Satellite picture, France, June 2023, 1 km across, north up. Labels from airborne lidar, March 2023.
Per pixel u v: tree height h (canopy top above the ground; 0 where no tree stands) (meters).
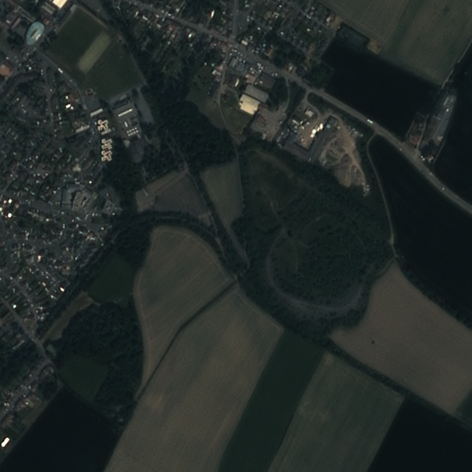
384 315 0
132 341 13
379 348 0
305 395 0
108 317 5
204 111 0
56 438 0
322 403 0
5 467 0
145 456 0
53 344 14
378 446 0
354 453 0
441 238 0
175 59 0
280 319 10
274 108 0
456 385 0
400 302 0
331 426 0
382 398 0
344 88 0
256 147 0
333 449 0
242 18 0
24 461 0
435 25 0
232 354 0
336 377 0
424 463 0
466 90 0
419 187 0
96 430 0
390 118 0
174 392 0
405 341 0
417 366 0
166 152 15
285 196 0
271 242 0
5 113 13
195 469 0
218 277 0
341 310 0
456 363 0
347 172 0
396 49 0
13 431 0
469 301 0
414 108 0
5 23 0
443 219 0
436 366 0
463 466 0
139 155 0
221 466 0
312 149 0
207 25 0
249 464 0
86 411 0
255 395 0
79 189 0
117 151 13
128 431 0
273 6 0
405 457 0
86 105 0
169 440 0
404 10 0
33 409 0
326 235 0
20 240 0
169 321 0
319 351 0
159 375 0
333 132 0
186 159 9
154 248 0
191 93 0
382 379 7
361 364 6
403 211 0
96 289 0
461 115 0
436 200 0
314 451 0
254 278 11
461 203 0
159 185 0
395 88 0
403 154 0
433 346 0
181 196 0
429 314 0
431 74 0
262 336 0
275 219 0
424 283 0
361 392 0
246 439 0
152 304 0
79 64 0
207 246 0
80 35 0
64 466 0
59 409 0
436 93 0
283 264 0
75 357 0
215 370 0
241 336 0
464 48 0
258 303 11
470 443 0
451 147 0
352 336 0
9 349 8
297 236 0
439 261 0
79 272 6
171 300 0
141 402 0
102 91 0
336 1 0
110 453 0
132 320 8
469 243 0
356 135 0
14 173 0
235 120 0
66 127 0
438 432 0
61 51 0
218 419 0
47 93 0
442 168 0
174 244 0
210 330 0
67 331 12
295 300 0
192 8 15
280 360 0
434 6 0
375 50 0
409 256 0
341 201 11
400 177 0
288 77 0
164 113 10
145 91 15
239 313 0
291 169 0
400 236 0
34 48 0
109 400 6
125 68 0
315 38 0
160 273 0
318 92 0
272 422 0
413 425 0
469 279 0
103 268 0
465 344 0
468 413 0
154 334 0
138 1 0
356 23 0
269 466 0
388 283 0
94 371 0
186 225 11
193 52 12
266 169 0
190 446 0
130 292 0
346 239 9
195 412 0
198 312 0
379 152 0
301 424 0
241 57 0
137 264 13
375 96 0
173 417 0
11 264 0
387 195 0
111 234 15
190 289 0
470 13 0
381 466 0
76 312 0
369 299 0
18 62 0
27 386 0
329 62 0
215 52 13
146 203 0
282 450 0
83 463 0
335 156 0
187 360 0
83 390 0
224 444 0
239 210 0
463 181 0
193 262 0
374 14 0
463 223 0
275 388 0
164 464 0
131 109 0
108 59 0
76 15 0
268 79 0
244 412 0
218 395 0
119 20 19
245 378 0
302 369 0
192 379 0
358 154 0
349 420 0
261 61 0
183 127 17
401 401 0
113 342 16
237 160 0
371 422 0
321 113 0
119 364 13
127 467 0
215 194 0
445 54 0
